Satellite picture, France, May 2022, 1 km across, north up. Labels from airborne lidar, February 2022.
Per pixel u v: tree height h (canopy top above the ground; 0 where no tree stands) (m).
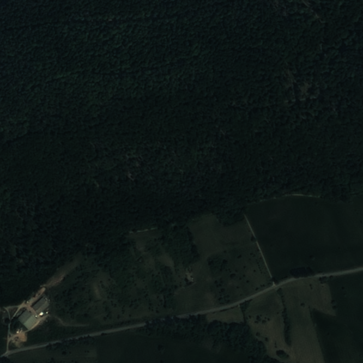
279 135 27
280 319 0
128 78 28
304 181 29
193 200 30
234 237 0
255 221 0
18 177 25
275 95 34
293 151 29
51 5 27
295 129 26
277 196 23
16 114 27
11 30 28
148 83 25
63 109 29
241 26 28
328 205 0
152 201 29
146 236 0
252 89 29
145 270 0
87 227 28
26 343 0
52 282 0
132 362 0
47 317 0
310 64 30
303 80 31
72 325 0
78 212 28
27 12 28
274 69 26
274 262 0
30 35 25
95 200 27
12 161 23
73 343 14
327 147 24
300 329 0
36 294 0
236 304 0
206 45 25
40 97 26
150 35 26
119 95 27
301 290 0
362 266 0
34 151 22
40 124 27
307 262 0
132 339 0
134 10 28
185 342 0
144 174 27
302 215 0
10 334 0
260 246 0
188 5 28
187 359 0
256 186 27
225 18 30
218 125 23
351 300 0
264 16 28
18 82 25
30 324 0
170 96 23
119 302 9
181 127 23
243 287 0
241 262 0
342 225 0
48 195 26
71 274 0
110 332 0
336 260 0
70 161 24
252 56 27
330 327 0
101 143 23
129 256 5
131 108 22
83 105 29
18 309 0
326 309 0
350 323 0
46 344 0
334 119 25
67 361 0
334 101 30
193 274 0
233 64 23
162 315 0
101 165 24
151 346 0
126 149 25
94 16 28
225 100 26
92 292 0
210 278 0
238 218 12
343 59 29
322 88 31
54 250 31
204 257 0
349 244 0
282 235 0
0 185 25
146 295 9
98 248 18
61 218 30
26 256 31
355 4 33
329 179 23
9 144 26
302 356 0
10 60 30
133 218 27
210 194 30
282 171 26
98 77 24
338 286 0
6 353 0
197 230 0
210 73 27
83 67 25
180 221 28
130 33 29
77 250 21
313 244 0
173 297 8
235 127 26
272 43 29
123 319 0
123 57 30
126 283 8
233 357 0
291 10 31
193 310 0
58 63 26
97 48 28
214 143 25
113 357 0
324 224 0
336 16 29
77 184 23
